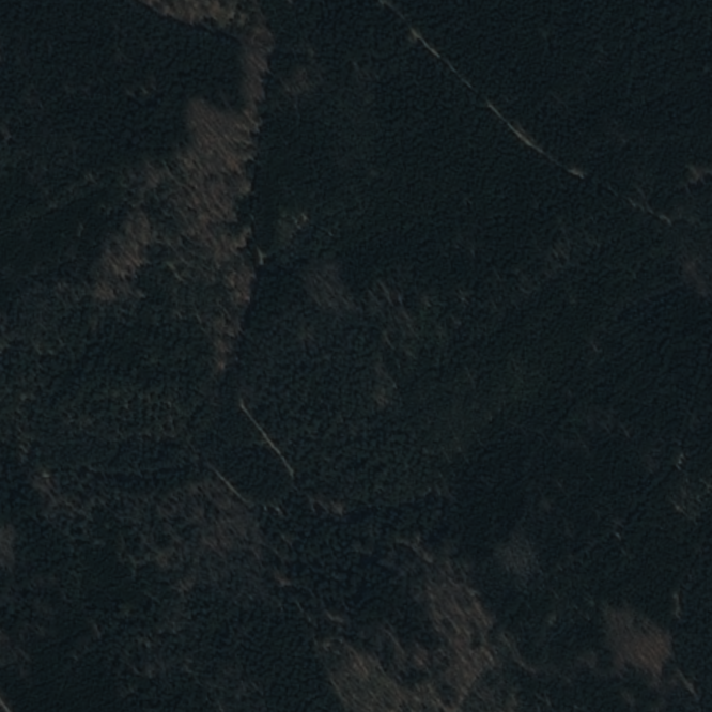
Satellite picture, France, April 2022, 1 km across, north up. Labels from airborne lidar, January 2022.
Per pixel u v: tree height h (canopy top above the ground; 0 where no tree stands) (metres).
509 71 28
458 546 31
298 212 9
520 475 23
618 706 25
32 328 26
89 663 21
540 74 24
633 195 21
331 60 28
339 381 27
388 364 16
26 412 26
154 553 26
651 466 20
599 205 24
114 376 20
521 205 26
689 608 28
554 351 19
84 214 10
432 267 26
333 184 18
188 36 27
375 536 33
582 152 26
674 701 21
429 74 23
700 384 32
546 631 16
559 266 18
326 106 22
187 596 12
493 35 27
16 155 21
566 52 26
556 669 21
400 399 16
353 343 26
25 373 23
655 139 24
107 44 24
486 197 27
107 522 13
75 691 20
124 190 12
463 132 20
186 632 9
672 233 18
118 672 23
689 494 22
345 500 31
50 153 26
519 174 23
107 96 26
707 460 31
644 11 26
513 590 23
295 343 27
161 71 29
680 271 23
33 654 16
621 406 19
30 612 27
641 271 21
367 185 21
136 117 23
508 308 21
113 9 23
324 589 33
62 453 24
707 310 18
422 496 25
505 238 25
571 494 21
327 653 22
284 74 27
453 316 24
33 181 17
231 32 5
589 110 23
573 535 17
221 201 24
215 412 25
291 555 31
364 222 21
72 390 17
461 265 25
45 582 21
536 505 23
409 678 24
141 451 25
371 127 18
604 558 18
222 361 21
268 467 30
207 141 24
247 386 24
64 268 10
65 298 25
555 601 18
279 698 26
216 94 27
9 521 34
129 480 12
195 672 21
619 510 20
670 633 21
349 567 28
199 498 10
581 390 19
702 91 26
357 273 21
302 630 24
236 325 27
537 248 23
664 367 18
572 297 20
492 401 19
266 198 19
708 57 24
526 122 27
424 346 23
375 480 26
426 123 18
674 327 35
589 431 19
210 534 28
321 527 32
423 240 22
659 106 22
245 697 22
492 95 24
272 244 18
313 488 26
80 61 29
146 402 7
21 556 24
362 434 16
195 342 21
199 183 24
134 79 23
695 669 27
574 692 22
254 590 26
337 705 26
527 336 20
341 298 21
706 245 21
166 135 29
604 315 25
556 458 21
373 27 30
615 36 23
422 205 23
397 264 23
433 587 27
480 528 21
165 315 15
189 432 18
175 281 22
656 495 22
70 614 18
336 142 19
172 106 27
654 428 24
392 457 25
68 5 34
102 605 9
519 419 22
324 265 19
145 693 10
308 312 23
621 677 23
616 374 20
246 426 29
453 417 19
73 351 29
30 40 27
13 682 17
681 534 29
